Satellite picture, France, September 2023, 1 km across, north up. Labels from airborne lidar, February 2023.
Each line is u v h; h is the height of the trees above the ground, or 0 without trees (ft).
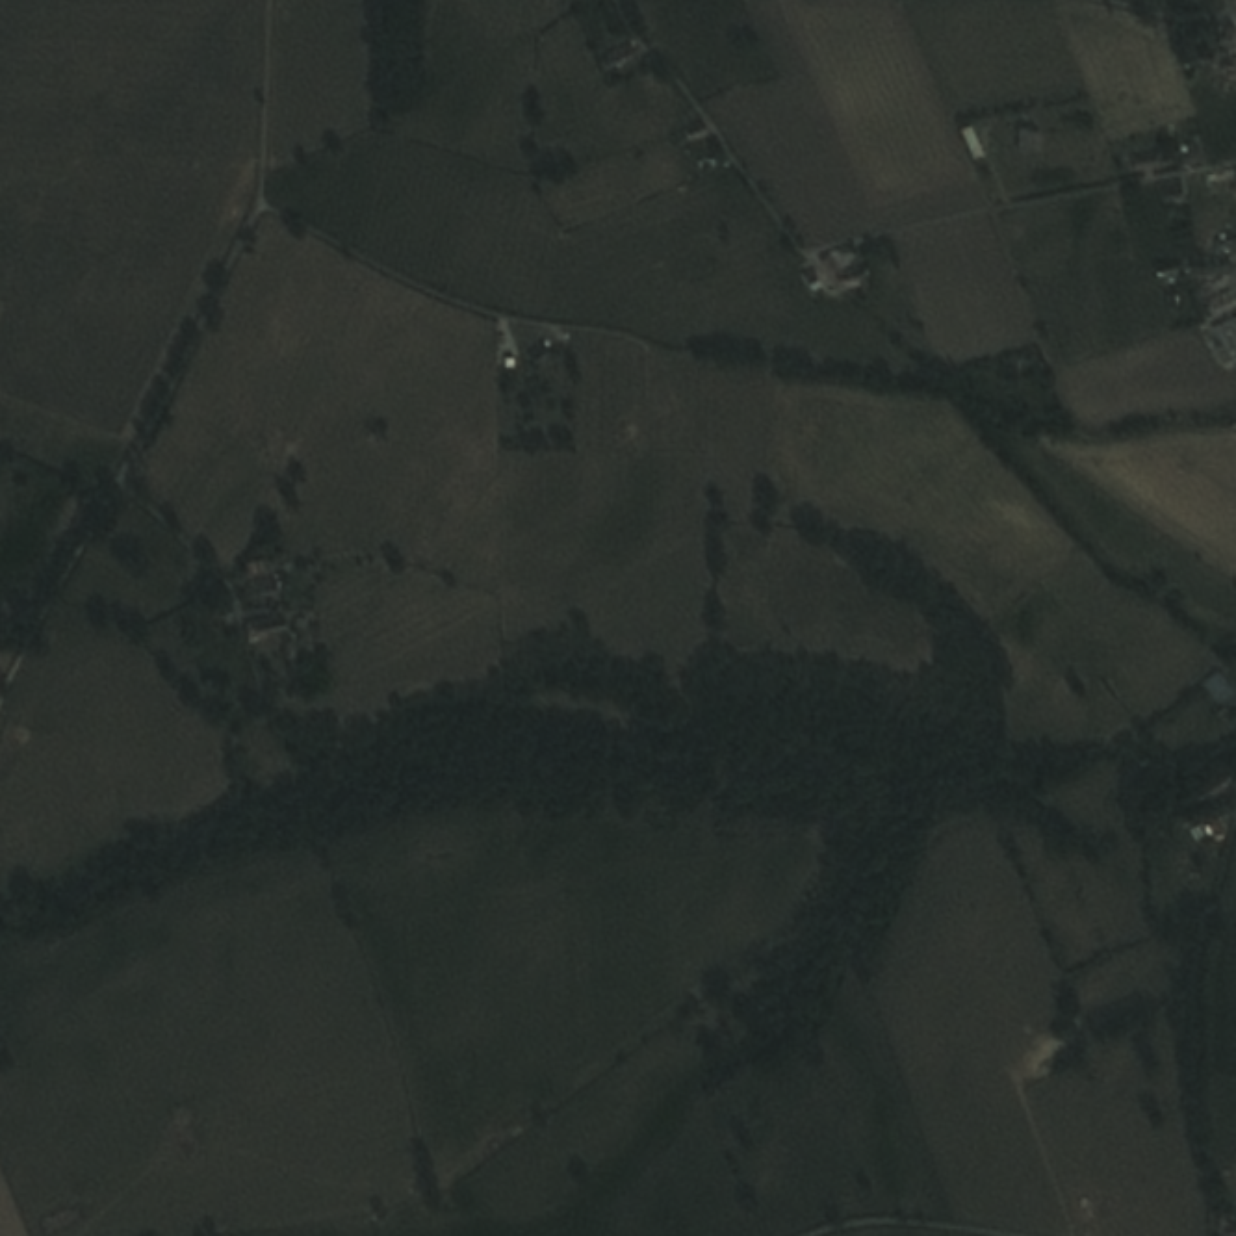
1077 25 0
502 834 0
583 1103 0
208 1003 0
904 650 0
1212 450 0
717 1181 0
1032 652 0
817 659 30
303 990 0
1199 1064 50
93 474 0
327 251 0
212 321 57
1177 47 51
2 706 0
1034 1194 0
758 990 43
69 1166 0
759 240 0
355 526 0
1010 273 0
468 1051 0
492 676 34
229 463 0
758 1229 0
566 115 0
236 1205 0
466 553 0
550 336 0
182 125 0
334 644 0
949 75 0
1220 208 0
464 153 0
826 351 0
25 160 0
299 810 68
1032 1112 0
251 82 0
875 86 0
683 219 0
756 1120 0
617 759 74
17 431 0
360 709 0
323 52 0
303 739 40
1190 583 0
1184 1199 0
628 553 0
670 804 0
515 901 0
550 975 0
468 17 0
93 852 0
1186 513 0
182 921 0
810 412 0
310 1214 0
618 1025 0
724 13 0
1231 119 0
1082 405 0
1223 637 0
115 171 0
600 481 0
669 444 0
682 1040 0
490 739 82
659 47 0
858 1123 0
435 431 0
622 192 0
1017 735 0
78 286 0
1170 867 0
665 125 0
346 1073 0
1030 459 0
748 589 0
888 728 57
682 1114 0
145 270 0
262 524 49
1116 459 0
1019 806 55
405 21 51
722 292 0
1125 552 0
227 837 48
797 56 0
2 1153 0
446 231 0
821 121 0
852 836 40
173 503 0
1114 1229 0
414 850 0
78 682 0
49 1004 0
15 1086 0
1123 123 0
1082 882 0
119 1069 0
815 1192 0
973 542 0
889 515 0
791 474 0
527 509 0
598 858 0
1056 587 0
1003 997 0
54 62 0
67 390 0
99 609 55
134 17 0
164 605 0
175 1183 0
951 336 0
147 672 0
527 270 0
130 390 0
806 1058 57
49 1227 0
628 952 0
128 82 0
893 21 0
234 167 0
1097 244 0
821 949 74
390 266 0
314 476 0
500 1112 0
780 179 0
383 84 52
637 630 0
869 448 0
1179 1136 0
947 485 0
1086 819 0
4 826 0
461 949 0
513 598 0
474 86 0
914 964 0
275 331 0
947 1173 0
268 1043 0
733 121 0
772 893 0
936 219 0
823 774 74
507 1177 0
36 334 0
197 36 0
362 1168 0
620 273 0
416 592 0
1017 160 0
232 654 0
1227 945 0
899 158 0
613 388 0
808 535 58
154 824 61
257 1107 0
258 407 0
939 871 0
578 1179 49
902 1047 0
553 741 91
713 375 0
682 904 0
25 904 49
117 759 0
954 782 45
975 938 0
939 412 0
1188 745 0
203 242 0
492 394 0
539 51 0
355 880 0
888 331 0
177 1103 0
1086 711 0
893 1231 0
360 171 0
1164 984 0
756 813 0
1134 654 0
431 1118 0
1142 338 0
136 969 0
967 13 0
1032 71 0
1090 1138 0
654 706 48
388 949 0
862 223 0
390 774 58
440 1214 0
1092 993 0
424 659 0
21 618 40
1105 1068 0
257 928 0
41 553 0
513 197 0
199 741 0
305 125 0
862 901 86
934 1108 0
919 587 81
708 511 0
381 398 0
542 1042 0
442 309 0
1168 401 0
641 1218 0
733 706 85
